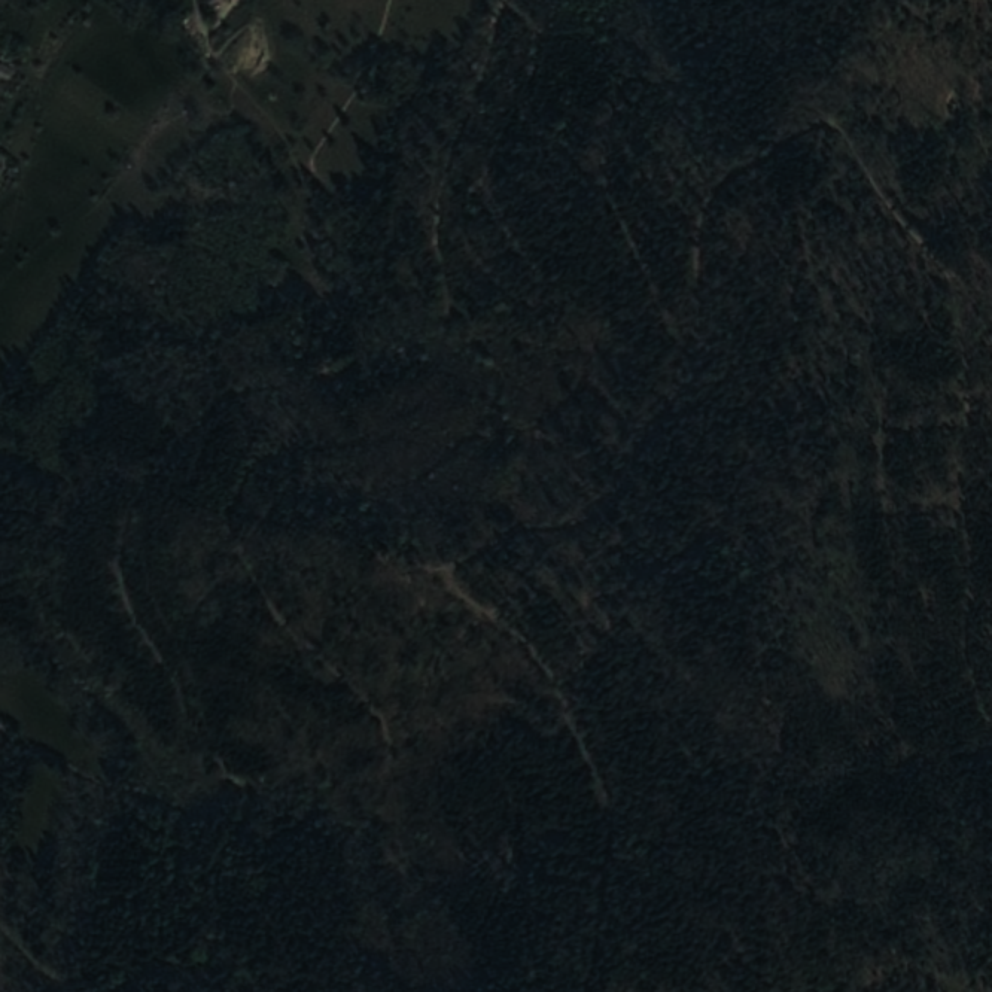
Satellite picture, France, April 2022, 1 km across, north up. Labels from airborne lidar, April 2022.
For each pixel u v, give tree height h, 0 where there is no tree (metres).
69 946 14
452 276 18
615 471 34
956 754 17
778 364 30
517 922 26
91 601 17
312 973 22
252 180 22
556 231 26
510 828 22
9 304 0
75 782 26
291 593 14
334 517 22
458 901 24
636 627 24
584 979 25
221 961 22
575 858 32
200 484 12
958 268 19
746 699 17
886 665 27
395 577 11
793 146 10
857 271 29
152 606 13
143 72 0
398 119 18
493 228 25
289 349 17
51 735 0
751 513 28
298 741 35
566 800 28
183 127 0
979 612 25
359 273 28
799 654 17
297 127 10
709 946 23
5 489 29
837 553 21
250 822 25
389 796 16
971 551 14
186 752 14
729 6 28
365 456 16
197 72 23
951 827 27
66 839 32
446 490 20
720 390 27
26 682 0
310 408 17
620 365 11
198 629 14
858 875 20
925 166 37
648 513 31
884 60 12
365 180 0
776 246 10
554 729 29
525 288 25
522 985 8
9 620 21
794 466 22
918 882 22
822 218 18
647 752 28
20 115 7
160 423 21
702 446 23
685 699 21
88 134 0
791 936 24
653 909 26
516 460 18
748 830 21
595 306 30
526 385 9
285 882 20
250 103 0
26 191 0
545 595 28
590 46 11
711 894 23
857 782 23
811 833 21
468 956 17
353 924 29
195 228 16
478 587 10
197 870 35
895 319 31
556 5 12
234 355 18
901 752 18
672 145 8
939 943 22
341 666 8
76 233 0
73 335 17
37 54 0
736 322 24
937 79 15
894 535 14
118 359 28
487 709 7
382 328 22
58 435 15
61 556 18
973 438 24
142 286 13
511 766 25
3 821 34
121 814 11
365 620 13
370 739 20
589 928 27
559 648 9
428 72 14
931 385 26
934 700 22
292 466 8
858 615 26
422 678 7
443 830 14
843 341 22
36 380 22
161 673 19
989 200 31
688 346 9
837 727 23
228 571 8
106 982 26
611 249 25
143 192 0
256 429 7
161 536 15
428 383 18
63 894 31
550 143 25
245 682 18
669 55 18
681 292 28
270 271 16
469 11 0
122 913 34
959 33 8
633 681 28
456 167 10
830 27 8
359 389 17
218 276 10
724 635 21
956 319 9
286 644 9
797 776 14
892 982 15
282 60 0
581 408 32
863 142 29
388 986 27
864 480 21
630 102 6
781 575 13
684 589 32
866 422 22
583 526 6
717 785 21
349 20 0
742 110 29
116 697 15
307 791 18
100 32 0
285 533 14
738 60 29
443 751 12
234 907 27
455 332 26
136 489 18
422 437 18
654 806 26
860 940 20
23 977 18
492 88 8
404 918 29
